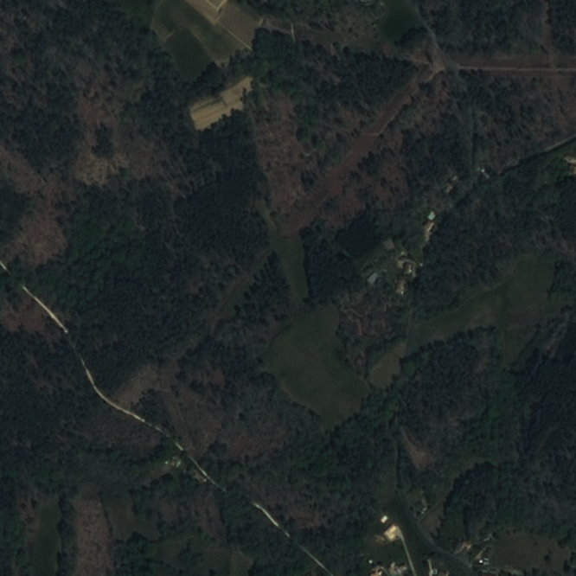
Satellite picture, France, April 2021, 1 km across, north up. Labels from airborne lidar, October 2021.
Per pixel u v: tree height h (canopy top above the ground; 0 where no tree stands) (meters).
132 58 25
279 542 17
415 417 0
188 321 14
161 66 26
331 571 18
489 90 16
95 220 17
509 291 0
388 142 17
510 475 17
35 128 22
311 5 16
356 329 12
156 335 21
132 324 25
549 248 11
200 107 0
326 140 24
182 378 12
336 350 0
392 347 19
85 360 22
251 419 16
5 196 16
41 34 12
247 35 0
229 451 10
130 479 22
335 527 9
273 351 0
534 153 12
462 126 18
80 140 26
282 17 20
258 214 6
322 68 13
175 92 19
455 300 15
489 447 20
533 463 14
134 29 25
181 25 0
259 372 19
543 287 0
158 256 20
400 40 0
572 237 10
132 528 0
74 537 18
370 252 11
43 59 22
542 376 22
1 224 14
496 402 21
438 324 0
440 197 16
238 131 14
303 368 0
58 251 8
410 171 8
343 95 23
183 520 13
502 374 21
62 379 23
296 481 20
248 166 17
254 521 17
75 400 20
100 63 17
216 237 21
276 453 8
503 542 0
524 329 0
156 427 24
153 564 14
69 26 24
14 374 20
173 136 13
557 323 9
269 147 11
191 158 19
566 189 25
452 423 13
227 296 13
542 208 18
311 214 0
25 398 21
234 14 0
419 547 0
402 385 18
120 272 12
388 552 0
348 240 12
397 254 12
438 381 8
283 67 21
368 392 0
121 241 18
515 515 17
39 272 8
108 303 24
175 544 14
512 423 15
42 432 22
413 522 0
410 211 17
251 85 0
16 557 23
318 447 14
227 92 0
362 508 16
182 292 20
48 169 11
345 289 20
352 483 21
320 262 22
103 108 0
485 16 22
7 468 26
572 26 21
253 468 9
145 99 11
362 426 21
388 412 25
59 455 25
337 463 8
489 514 17
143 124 25
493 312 0
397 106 0
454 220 20
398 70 25
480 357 27
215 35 0
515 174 19
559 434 8
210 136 15
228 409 24
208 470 11
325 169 16
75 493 19
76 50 20
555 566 0
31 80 11
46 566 0
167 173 14
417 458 0
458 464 20
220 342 16
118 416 7
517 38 18
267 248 21
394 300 15
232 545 19
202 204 21
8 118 21
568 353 10
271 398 14
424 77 0
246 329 15
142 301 21
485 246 24
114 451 10
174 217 12
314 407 0
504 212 19
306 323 0
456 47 20
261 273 0
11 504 22
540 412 23
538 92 18
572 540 21
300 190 8
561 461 17
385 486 20
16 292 21
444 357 30
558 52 11
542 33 20
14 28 12
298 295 0
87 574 0
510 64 0
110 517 19
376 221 9
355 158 0
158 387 0
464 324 0
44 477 24
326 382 0
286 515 10
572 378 22
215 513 0
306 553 20
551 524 20
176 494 20
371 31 17
